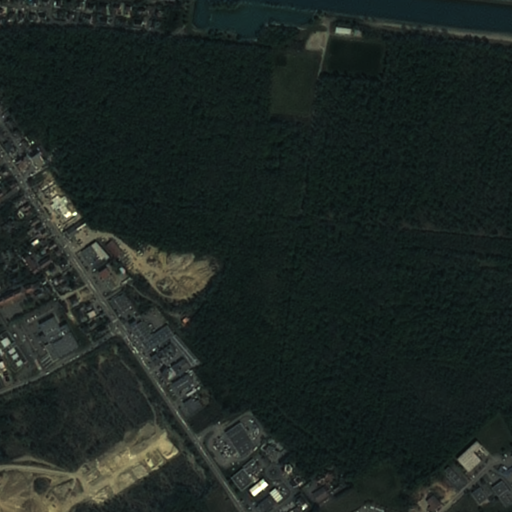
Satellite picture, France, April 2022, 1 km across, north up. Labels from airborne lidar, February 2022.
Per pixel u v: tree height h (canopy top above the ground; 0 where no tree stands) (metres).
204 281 0
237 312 14
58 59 17
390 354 13
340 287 19
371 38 7
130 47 16
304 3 0
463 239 6
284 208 17
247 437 0
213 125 15
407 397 8
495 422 0
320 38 0
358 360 17
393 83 15
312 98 0
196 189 18
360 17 0
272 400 13
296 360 12
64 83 18
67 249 0
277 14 0
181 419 0
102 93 20
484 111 17
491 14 0
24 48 18
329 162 16
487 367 11
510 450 0
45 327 0
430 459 16
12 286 7
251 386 11
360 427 15
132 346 0
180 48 17
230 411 13
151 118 19
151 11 0
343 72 0
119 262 8
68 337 0
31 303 11
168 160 19
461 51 20
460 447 9
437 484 0
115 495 0
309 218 15
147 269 0
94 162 19
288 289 12
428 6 0
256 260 14
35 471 0
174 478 0
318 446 10
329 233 18
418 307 13
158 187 21
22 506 0
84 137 15
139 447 0
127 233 13
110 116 18
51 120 20
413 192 17
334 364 9
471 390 10
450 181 15
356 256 17
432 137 18
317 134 17
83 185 16
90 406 0
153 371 0
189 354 0
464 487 0
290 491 0
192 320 14
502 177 15
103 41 17
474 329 14
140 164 16
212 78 18
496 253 7
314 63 0
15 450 0
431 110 16
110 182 19
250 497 0
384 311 18
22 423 0
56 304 0
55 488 0
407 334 18
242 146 20
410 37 13
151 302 8
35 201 0
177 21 7
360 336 16
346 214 17
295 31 8
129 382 0
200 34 0
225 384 8
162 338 0
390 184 17
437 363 9
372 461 12
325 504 0
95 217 16
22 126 15
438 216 15
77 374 14
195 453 8
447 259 12
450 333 10
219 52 14
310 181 18
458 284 16
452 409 12
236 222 12
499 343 11
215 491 0
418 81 19
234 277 14
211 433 0
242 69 14
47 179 0
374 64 0
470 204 16
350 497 0
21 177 0
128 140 18
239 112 18
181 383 0
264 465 0
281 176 18
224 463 0
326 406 20
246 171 20
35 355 0
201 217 13
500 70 17
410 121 18
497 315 16
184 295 0
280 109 0
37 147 0
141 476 0
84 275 0
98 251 0
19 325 0
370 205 14
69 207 0
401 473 15
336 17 0
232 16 0
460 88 18
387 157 20
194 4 0
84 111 19
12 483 0
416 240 7
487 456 0
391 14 0
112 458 0
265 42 11
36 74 18
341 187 18
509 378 11
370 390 16
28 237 0
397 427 14
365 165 16
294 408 14
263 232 13
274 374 12
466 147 13
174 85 17
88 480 0
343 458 11
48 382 12
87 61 18
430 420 11
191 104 16
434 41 21
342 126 16
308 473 7
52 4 0
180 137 19
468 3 0
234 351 13
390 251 16
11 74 17
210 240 13
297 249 9
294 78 0
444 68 20
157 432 0
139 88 20
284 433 10
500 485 0
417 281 12
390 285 25
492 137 18
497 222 14
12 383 0
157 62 13
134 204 18
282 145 16
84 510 0
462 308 16
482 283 16
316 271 17
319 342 16
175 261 0
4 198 0
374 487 0
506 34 0
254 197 17
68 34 15
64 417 12
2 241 10
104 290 0
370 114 19
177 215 13
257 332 13
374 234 15
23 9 0
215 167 20
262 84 16
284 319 14
